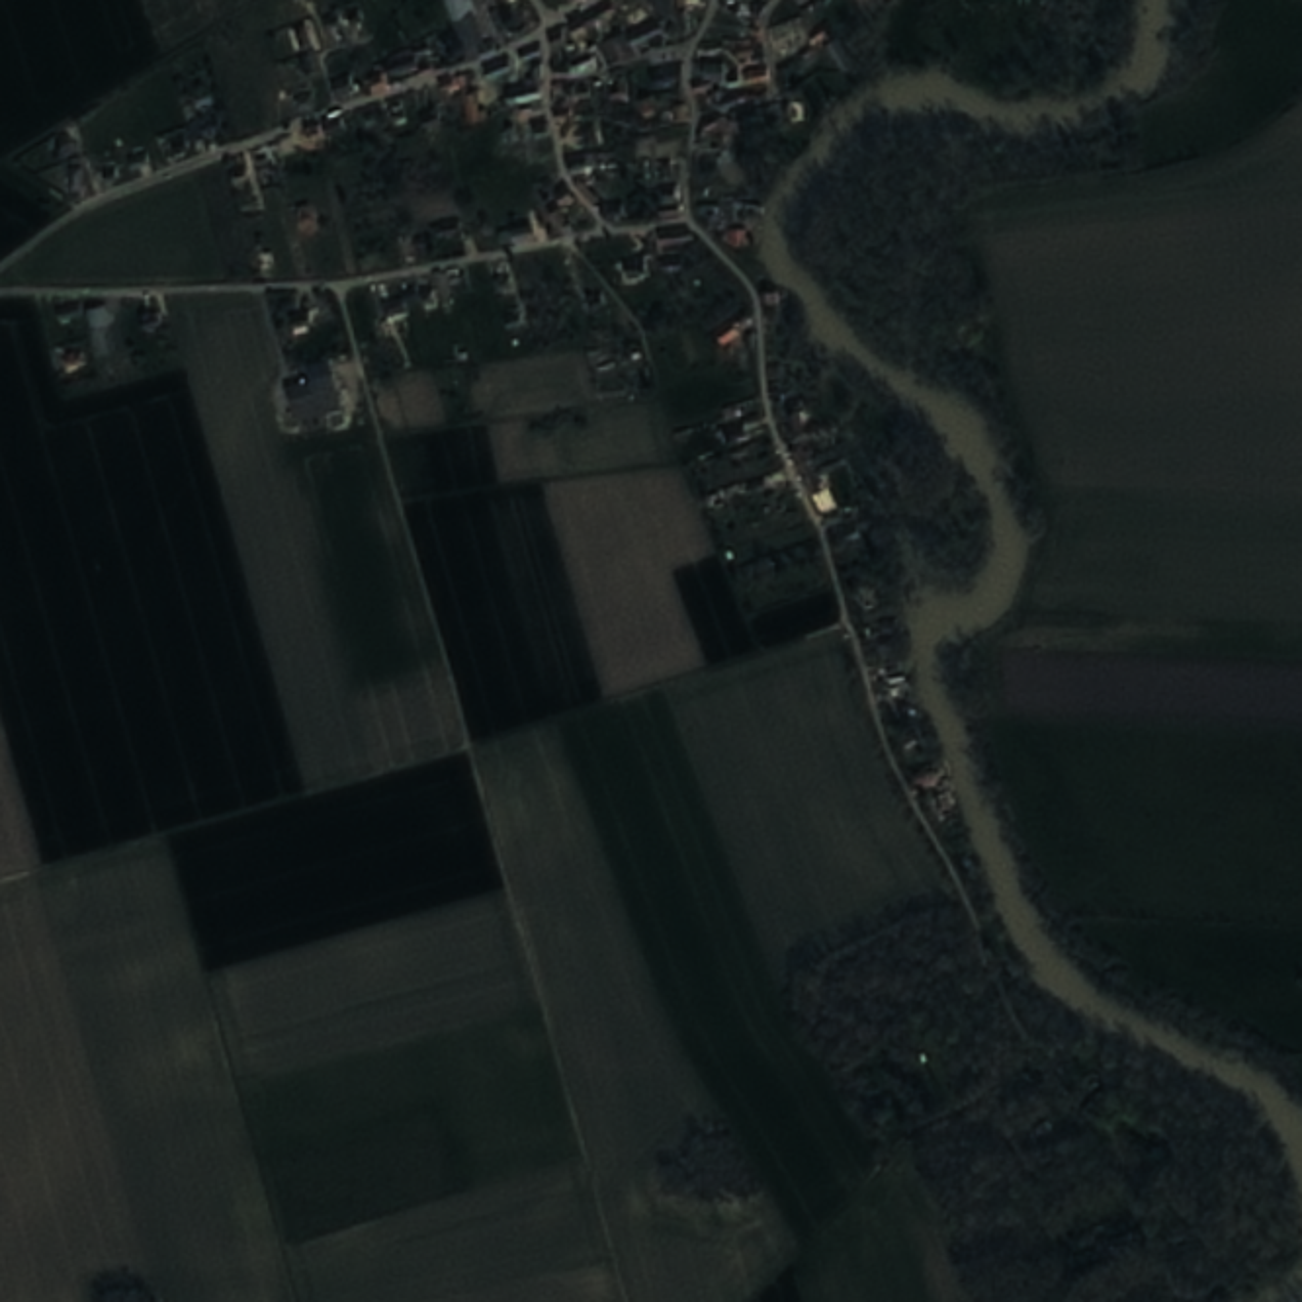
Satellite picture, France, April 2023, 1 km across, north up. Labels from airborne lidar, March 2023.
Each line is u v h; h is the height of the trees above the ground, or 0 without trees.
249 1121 0
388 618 0
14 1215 0
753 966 0
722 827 0
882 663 18
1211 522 0
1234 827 0
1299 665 0
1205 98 0
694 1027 0
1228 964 0
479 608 0
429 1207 0
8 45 0
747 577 9
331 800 0
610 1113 0
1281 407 0
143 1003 0
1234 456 0
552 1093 0
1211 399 0
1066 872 0
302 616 0
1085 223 0
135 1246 0
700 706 0
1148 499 0
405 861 0
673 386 0
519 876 0
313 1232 0
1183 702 0
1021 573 0
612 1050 0
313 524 0
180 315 0
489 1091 0
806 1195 0
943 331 25
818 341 23
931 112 0
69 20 0
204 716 0
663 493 0
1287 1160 29
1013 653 0
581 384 0
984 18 0
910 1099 9
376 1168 0
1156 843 0
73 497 0
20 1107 0
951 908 17
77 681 0
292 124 0
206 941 0
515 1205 0
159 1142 0
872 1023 24
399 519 0
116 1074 0
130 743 0
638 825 0
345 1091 0
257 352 0
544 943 0
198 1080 0
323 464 0
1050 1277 25
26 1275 0
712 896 0
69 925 0
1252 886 0
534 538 0
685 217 0
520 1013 0
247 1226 0
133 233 0
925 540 20
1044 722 0
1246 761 0
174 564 0
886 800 0
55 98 0
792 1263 0
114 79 0
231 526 0
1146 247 0
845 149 20
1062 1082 19
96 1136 0
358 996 0
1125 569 0
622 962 0
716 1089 0
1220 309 0
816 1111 0
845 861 0
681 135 0
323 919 0
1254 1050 9
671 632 0
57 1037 0
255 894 0
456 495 0
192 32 0
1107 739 0
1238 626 0
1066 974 0
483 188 0
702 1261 0
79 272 0
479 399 0
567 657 0
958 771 0
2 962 0
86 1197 0
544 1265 0
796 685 0
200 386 0
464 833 0
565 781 0
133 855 0
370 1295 0
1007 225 0
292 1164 0
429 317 0
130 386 0
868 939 15
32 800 0
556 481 0
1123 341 0
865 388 9
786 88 14
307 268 0
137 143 0
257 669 0
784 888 0
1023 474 12
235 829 0
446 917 0
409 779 0
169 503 0
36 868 0
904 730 9
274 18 0
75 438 0
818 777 0
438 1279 0
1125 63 19
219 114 6
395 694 0
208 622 0
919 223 32
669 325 15
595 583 0
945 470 39
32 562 0
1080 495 0
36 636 0
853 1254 0
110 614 0
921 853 0
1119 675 0
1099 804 0
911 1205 0
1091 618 0
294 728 0
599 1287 0
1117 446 0
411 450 0
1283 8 0
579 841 0
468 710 0
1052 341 0
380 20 0
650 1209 0
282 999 0
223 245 0
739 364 0
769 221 0
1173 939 0
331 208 0
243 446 0
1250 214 0
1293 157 0
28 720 0
